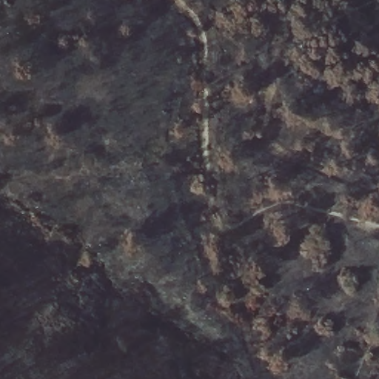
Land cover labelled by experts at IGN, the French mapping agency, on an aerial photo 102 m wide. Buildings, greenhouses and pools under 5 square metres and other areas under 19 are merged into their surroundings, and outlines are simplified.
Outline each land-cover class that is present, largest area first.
<instances>
[{"label":"bare soil","instance_id":"1","mask_svg":"<svg viewBox=\"0 0 379 379\"><path fill-rule=\"evenodd\" d=\"M89 0H0V4L6 9L7 18L12 19L16 15H21L24 10L40 7L50 18L55 19L56 28L61 31L71 19L83 15ZM222 0H142L139 4L129 1L123 6L132 24L138 28V37L127 36L129 28L124 25H121L120 30L114 25L98 27L95 43L96 49L101 52V59L93 55L86 41L80 40L73 55L64 56L55 68L36 74L28 73L24 77H16L7 67L12 61V56H15L22 67L30 70L31 62L25 56L24 43L16 34L9 36L13 27H0V379H379V346L358 342L355 330L364 333L369 323L379 326V302L369 299L370 290L375 287L372 266H349V275H338L335 264L345 252L343 234L346 227L343 222H355L358 228L379 229V207L372 204L369 198L363 201L355 200L354 195L349 194L348 188L336 184L335 176L323 172L327 163L324 154L330 151L326 144L330 136L311 127L298 126L295 129L286 126L283 117L278 114L281 102L274 99L277 89L272 83L275 78H284L289 74L293 62L284 65V62L278 59L274 64L262 68L259 62H253L252 59H243L241 64L235 62L231 44L216 27V3ZM311 225L320 227L318 235L329 241L330 249L329 255L326 256V264H318V268L324 269V272H314L303 278L306 284H312L311 290L302 293L303 301L312 308L326 298L324 302L333 312L326 314L321 321H332L333 333L330 336H320L314 329L306 333L303 332V320L293 321L292 327L298 329V333L287 339L286 346L290 349L289 361L281 372L274 375L269 370V364L247 348L244 332L238 329L237 324L225 320L219 326L221 329L209 326L206 323V314L201 309L195 312L192 308L191 295L187 293L189 287L197 284L195 275L210 265L201 244V234H215L216 255L222 272L241 269L247 264V259L253 258L256 266H259L264 274L259 283L265 287H272L281 278L278 274L281 264L284 261H293L301 255V244L308 235Z\"/></svg>","mask_w":379,"mask_h":379},{"label":"coniferous trees","instance_id":"2","mask_svg":"<svg viewBox=\"0 0 379 379\"><path fill-rule=\"evenodd\" d=\"M129 1L139 4L142 0H89L83 15L71 19L61 31L56 28L55 19L50 18L40 7L24 10L21 15H16L12 19L7 18L6 9L0 4V27H13L9 36L16 34L24 43L25 56L31 62L30 70L22 67L15 56H12V61L7 67L16 77H24L28 73L36 74L55 68L64 56L73 55L80 40L86 41L93 55L101 59V52L96 49L95 43L98 27L114 25L120 30L121 25H124L129 28L127 36L138 37V28L132 24L123 6ZM216 27L231 44L235 62L241 64L243 59H252L253 62H259L262 68L274 64L278 59L284 62V65L293 62L289 74L284 78H275L272 83L277 89L274 99L281 102L278 114L283 117L286 126L295 129L298 126L311 127L330 136L326 144L330 151L324 154L327 163L323 172L335 176L336 184L348 188L349 194L354 195L355 200L363 201L369 198L372 204L379 207V0H222L216 3ZM346 227L343 234L345 252L335 264L338 275H349V266H372L375 287L370 290L369 299L379 302V229L358 228L355 222H343ZM320 227L311 225L308 235L301 244V255L293 261H284L281 264L278 274L281 278L272 287H265L259 283L264 274L259 266H256L253 258L247 259V264L241 269L222 272L216 255L215 234H201V244L210 265L195 275L197 284L189 287L187 293L191 295L192 308L195 312L201 309L206 314V323L209 326L221 329L219 326L225 320L237 324L238 329L244 332L247 348L269 364V370L274 375L281 372L289 361L290 349L286 346L287 339L298 333V329L292 327L293 321L303 320V332L306 333L314 329L320 336H330L333 333L332 321H321L326 314L333 312L324 302L326 298L312 308L303 301L302 293L311 290L312 284H306L303 278L314 272H324V269L318 268V264H326V256L329 255L330 249L329 241L318 235ZM358 342L379 346V326L369 323L364 333L355 330Z\"/></svg>","mask_w":379,"mask_h":379}]
</instances>
